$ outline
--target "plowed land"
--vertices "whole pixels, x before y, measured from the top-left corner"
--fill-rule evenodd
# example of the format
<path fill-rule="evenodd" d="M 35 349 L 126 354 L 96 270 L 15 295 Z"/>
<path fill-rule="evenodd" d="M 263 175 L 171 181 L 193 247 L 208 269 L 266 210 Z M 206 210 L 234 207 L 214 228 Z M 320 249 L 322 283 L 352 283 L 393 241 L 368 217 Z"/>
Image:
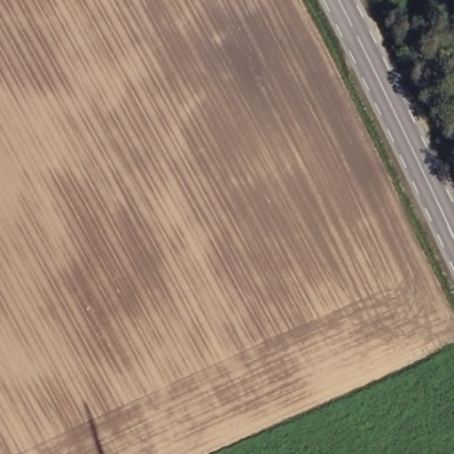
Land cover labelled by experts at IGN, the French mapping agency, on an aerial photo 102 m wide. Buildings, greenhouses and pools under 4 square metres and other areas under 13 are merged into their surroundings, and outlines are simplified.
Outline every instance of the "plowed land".
<path fill-rule="evenodd" d="M 454 312 L 450 310 L 442 286 L 438 278 L 434 277 L 426 254 L 422 252 L 415 234 L 411 231 L 401 200 L 395 193 L 392 177 L 388 174 L 376 145 L 365 129 L 362 117 L 356 112 L 355 103 L 349 96 L 339 67 L 330 55 L 330 50 L 326 48 L 323 35 L 310 18 L 303 0 L 0 0 L 0 454 L 209 454 L 213 450 L 222 449 L 225 445 L 238 442 L 245 436 L 259 433 L 262 429 L 278 424 L 282 420 L 300 415 L 303 411 L 335 399 L 339 395 L 348 394 L 355 388 L 364 387 L 371 381 L 380 380 L 390 372 L 399 371 L 445 344 L 454 342 Z"/>

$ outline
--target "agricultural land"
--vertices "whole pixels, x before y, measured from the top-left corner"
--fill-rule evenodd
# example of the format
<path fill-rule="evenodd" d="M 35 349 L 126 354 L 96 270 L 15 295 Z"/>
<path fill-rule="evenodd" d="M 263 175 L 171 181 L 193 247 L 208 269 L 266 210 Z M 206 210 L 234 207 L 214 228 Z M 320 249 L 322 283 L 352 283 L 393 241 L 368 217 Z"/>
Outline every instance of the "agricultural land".
<path fill-rule="evenodd" d="M 454 454 L 454 342 L 445 344 L 399 371 L 390 372 L 380 380 L 371 381 L 364 387 L 355 388 L 348 394 L 339 395 L 335 399 L 303 411 L 300 415 L 282 420 L 278 424 L 262 429 L 259 433 L 245 436 L 238 442 L 225 445 L 222 449 L 213 450 L 209 454 Z"/>

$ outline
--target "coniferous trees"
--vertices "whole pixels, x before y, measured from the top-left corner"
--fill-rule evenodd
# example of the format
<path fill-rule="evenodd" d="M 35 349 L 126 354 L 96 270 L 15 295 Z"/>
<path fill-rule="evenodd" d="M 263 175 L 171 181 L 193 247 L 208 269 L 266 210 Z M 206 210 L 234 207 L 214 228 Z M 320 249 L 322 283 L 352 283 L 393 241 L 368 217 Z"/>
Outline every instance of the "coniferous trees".
<path fill-rule="evenodd" d="M 438 158 L 449 165 L 450 181 L 454 186 L 454 12 L 449 14 L 445 4 L 440 4 L 438 9 L 427 11 L 422 18 L 415 16 L 413 21 L 408 21 L 408 2 L 404 2 L 395 5 L 390 11 L 387 27 L 394 30 L 399 48 L 397 55 L 408 57 L 415 64 L 413 80 L 420 90 L 420 101 L 424 101 L 424 105 L 415 105 L 411 110 L 413 115 L 426 119 L 429 126 L 429 145 L 438 153 Z"/>

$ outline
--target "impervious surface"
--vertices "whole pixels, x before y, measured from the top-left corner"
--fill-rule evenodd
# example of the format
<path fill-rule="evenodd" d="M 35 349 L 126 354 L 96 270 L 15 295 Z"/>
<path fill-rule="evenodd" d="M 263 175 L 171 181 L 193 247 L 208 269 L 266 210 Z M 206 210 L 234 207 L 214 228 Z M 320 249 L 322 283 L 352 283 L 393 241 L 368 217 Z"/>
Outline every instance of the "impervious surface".
<path fill-rule="evenodd" d="M 381 131 L 385 133 L 390 149 L 410 184 L 413 200 L 424 216 L 429 232 L 440 248 L 442 259 L 454 280 L 454 186 L 450 181 L 449 165 L 438 158 L 438 153 L 429 145 L 429 126 L 426 119 L 413 115 L 411 110 L 415 105 L 424 105 L 424 101 L 420 101 L 420 90 L 413 80 L 415 64 L 408 57 L 397 55 L 399 48 L 394 30 L 387 27 L 380 32 L 376 21 L 372 20 L 365 9 L 364 0 L 317 0 L 339 39 L 349 69 L 355 73 L 356 80 L 364 89 L 365 98 L 372 106 L 372 112 L 376 113 Z"/>

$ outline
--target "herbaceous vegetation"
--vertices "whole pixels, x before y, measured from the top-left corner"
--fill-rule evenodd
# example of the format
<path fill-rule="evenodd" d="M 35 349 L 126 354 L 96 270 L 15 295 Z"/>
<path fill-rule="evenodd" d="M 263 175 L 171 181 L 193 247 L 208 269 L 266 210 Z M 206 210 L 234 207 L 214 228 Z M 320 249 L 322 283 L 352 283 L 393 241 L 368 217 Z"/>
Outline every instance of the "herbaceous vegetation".
<path fill-rule="evenodd" d="M 355 103 L 356 112 L 362 117 L 365 129 L 376 145 L 388 174 L 392 177 L 395 193 L 401 200 L 411 231 L 415 234 L 422 252 L 426 254 L 434 277 L 438 278 L 442 286 L 450 310 L 454 312 L 454 280 L 442 259 L 440 248 L 429 232 L 424 216 L 413 200 L 410 184 L 390 149 L 385 133 L 381 131 L 376 113 L 372 112 L 372 106 L 365 98 L 364 89 L 356 80 L 355 73 L 349 69 L 339 39 L 317 0 L 303 0 L 310 18 L 323 35 L 326 48 L 330 50 L 330 55 L 339 67 L 349 96 Z"/>
<path fill-rule="evenodd" d="M 415 16 L 422 18 L 427 11 L 438 9 L 440 4 L 445 4 L 449 14 L 454 12 L 454 0 L 364 0 L 365 9 L 372 20 L 376 21 L 380 32 L 387 27 L 390 11 L 395 5 L 404 2 L 408 2 L 408 21 L 413 21 Z"/>

